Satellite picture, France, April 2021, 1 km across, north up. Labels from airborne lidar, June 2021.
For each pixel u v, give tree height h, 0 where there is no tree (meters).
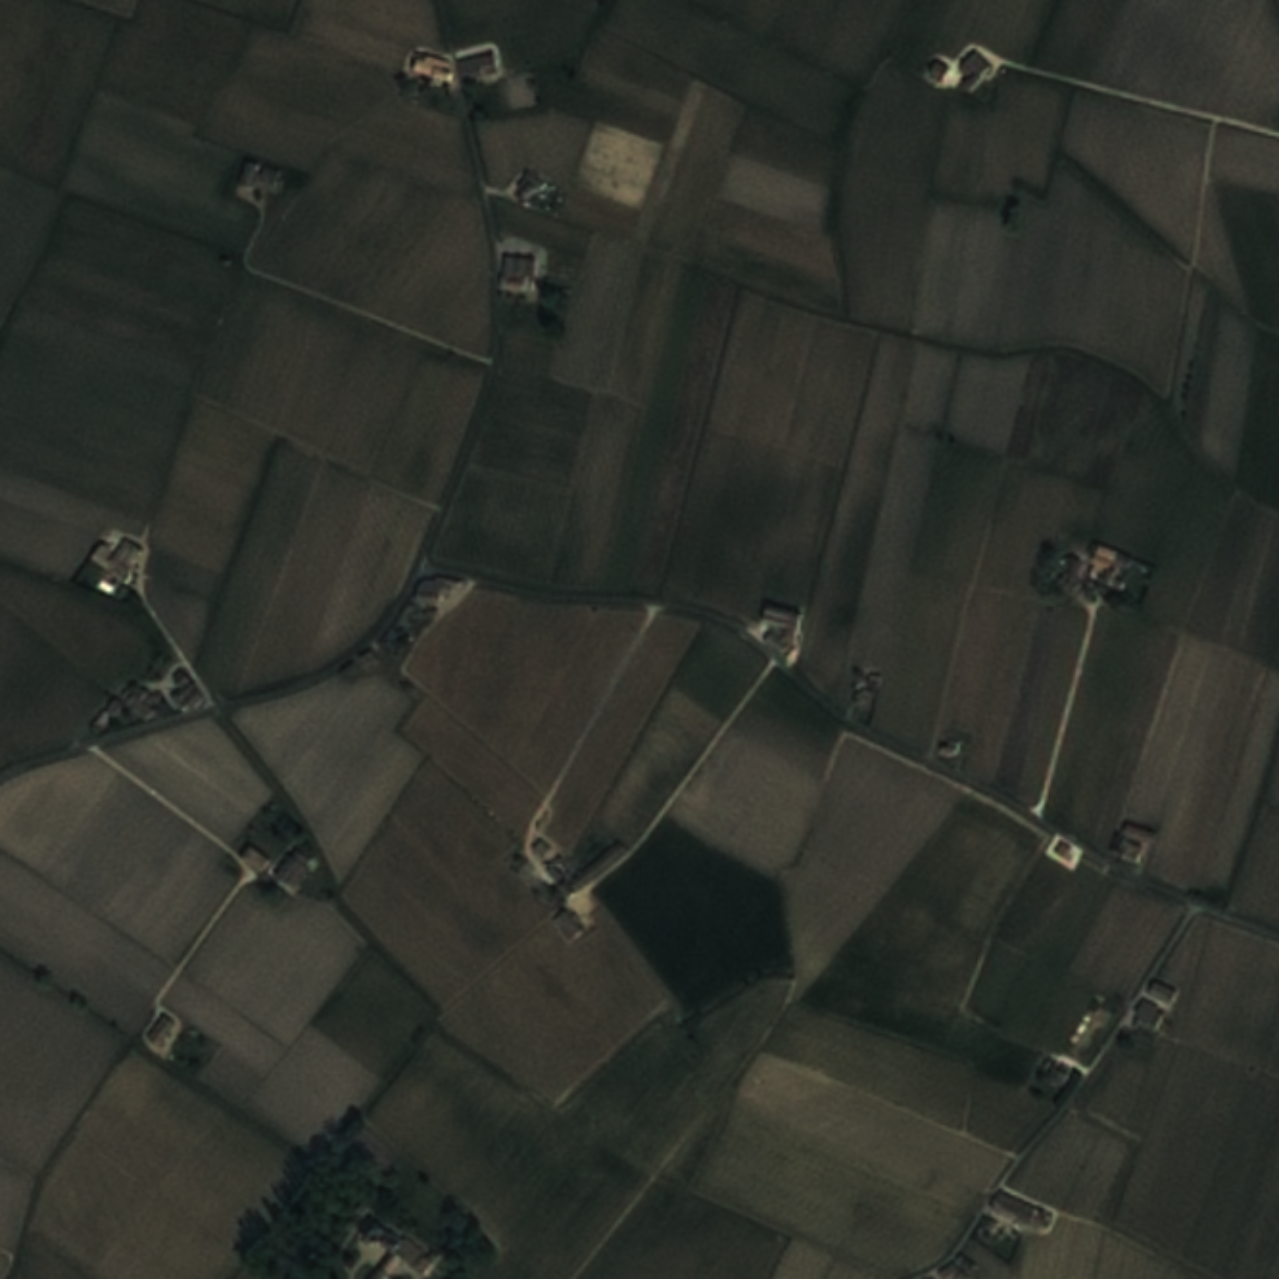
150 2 0
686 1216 0
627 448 0
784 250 0
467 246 0
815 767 0
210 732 0
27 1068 0
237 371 0
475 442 0
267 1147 0
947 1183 0
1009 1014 0
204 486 0
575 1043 0
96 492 0
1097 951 0
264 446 0
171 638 0
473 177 0
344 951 0
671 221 0
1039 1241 0
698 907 0
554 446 0
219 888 0
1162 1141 0
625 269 0
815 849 0
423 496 0
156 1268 0
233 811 0
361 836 0
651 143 0
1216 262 0
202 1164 0
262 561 0
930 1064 0
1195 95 0
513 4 0
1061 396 0
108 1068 0
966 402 0
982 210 0
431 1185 10
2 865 0
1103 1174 0
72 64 0
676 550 0
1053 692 0
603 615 0
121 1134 0
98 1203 0
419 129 0
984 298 0
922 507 0
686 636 0
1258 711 0
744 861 0
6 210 0
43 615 0
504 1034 0
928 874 0
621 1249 0
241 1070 0
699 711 0
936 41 0
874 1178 0
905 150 0
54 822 0
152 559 0
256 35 0
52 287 0
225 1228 0
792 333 0
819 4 0
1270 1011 0
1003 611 0
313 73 0
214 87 0
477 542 0
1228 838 0
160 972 0
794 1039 0
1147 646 0
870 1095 0
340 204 0
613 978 0
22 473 0
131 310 0
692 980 0
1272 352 0
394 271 0
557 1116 0
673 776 0
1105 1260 0
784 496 0
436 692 0
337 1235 12
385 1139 0
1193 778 0
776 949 0
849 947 0
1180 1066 0
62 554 0
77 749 0
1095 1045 0
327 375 0
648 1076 0
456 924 0
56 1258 0
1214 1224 0
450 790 0
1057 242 0
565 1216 0
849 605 0
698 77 0
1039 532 0
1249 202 0
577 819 0
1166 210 0
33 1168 0
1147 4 0
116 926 0
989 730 0
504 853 0
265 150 0
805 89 0
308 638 0
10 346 0
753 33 0
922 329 0
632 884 0
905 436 0
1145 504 0
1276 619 0
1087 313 0
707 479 0
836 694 0
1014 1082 0
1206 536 0
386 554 0
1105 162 0
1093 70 0
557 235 0
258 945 0
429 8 0
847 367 0
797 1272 0
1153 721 0
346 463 0
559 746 0
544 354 0
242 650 0
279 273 0
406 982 0
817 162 0
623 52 0
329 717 0
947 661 0
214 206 0
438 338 0
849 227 0
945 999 0
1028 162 0
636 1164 0
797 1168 0
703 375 0
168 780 0
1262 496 0
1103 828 0
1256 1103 0
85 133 0
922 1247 0
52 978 10
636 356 0
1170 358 0
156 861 0
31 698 0
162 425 0
